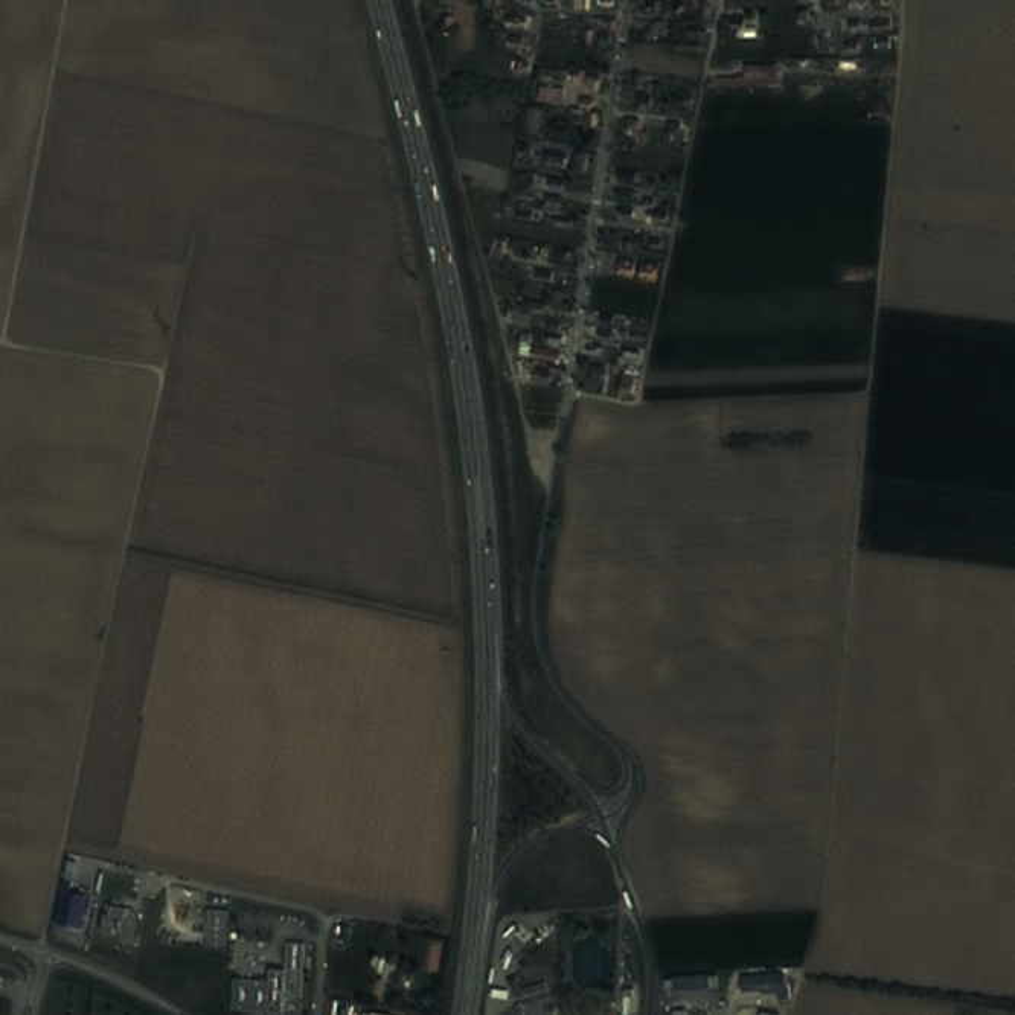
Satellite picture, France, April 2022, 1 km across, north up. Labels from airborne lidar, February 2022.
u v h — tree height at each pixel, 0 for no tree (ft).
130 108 0
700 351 0
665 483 0
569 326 0
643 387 0
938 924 0
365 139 0
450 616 0
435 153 0
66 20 0
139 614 0
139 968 0
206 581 0
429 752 0
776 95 0
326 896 0
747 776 0
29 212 0
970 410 0
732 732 0
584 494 0
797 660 0
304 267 0
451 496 0
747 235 0
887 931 0
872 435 0
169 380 0
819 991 0
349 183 0
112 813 0
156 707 0
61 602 0
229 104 0
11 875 0
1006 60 0
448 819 0
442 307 0
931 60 0
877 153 0
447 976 30
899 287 0
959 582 0
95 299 0
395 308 0
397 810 0
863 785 0
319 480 0
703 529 0
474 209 0
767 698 0
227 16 0
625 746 0
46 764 0
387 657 0
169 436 0
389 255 0
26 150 0
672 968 0
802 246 0
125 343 0
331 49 0
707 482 0
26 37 0
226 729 0
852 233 0
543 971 0
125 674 0
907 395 0
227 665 0
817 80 0
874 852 0
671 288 0
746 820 0
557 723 0
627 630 0
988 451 0
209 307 0
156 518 0
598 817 0
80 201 0
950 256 0
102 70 0
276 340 0
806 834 0
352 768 0
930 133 0
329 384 0
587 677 0
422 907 0
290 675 0
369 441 0
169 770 0
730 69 0
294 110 0
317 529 0
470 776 0
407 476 0
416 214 0
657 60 0
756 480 0
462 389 0
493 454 0
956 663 0
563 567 0
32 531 0
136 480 0
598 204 0
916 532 0
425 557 0
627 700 0
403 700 0
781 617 0
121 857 0
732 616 0
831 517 0
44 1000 0
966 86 0
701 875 0
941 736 0
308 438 0
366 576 0
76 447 0
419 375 0
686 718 0
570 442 0
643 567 0
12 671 0
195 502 0
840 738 0
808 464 0
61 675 0
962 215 0
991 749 0
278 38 0
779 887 0
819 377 0
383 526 0
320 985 0
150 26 0
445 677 0
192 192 0
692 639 0
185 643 0
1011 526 0
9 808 0
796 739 0
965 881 0
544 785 24
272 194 0
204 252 0
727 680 0
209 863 0
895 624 0
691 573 0
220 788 0
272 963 0
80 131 0
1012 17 0
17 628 0
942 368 0
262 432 0
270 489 0
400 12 0
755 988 0
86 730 0
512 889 0
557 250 0
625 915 0
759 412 0
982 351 0
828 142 0
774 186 0
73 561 0
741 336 0
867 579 0
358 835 0
